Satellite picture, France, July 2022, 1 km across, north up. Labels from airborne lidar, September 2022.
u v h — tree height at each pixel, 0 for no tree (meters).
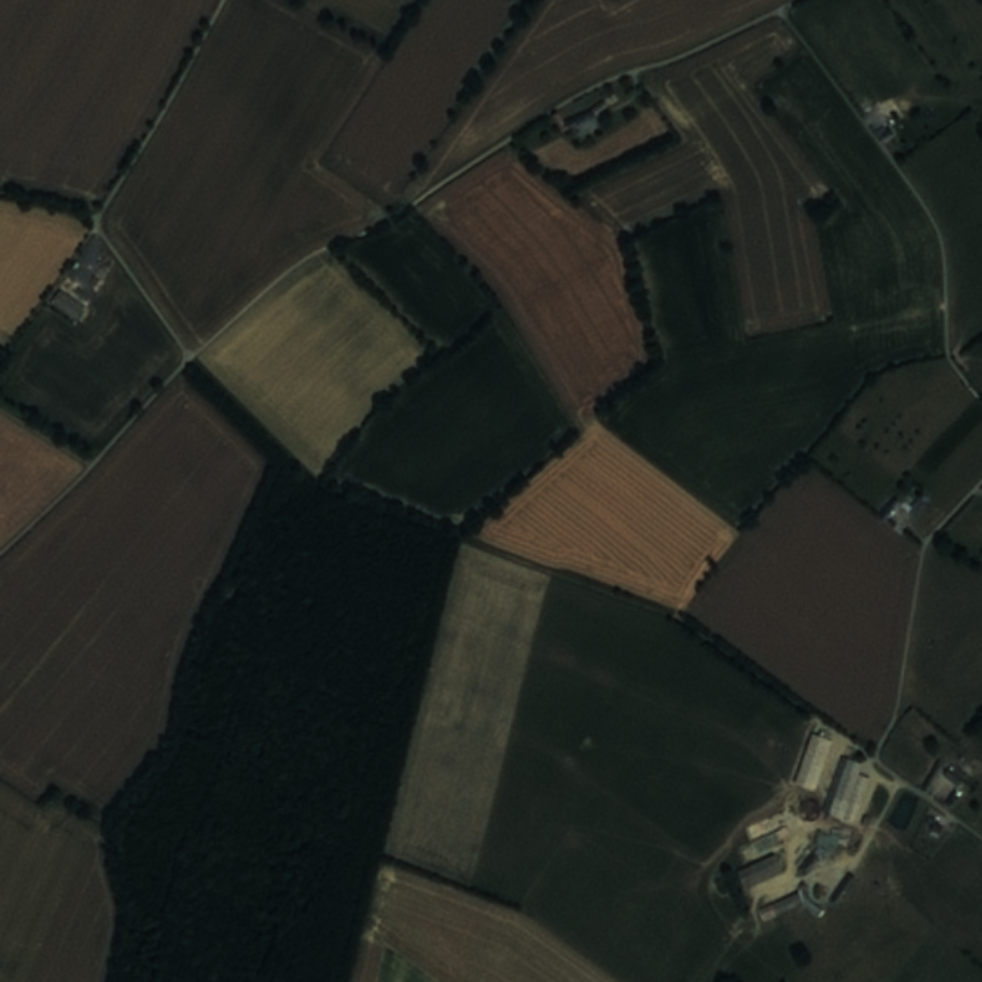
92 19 0
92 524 0
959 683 0
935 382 0
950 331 0
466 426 0
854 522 0
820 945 0
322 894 14
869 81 0
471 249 0
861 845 0
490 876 0
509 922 0
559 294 0
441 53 0
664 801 0
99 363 0
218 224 0
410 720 13
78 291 0
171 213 0
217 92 0
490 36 0
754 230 0
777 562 0
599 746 0
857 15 0
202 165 0
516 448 0
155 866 14
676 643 0
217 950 17
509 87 0
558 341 0
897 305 0
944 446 0
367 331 0
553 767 0
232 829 19
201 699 14
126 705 0
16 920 0
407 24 13
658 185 0
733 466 0
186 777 14
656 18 0
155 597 0
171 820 14
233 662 12
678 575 0
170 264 0
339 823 16
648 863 0
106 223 0
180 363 0
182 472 0
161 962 17
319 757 16
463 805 0
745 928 0
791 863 0
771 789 0
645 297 20
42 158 0
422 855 0
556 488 0
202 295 0
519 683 0
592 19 0
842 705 0
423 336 15
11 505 0
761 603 0
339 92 0
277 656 15
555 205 0
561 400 0
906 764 0
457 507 0
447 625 0
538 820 0
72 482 0
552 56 0
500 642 0
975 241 0
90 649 0
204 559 0
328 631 14
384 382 0
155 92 0
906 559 0
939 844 0
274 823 17
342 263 12
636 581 0
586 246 0
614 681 0
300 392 0
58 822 0
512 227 0
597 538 0
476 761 0
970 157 0
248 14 0
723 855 0
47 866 0
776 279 0
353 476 0
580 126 0
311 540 14
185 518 0
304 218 0
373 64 0
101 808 0
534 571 0
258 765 16
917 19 0
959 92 0
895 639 0
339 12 0
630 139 0
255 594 17
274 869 15
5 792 0
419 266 0
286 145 0
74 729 0
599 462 0
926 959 0
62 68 0
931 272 0
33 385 0
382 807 13
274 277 0
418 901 0
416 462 0
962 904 0
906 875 0
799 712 9
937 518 0
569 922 0
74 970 0
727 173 0
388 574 15
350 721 17
